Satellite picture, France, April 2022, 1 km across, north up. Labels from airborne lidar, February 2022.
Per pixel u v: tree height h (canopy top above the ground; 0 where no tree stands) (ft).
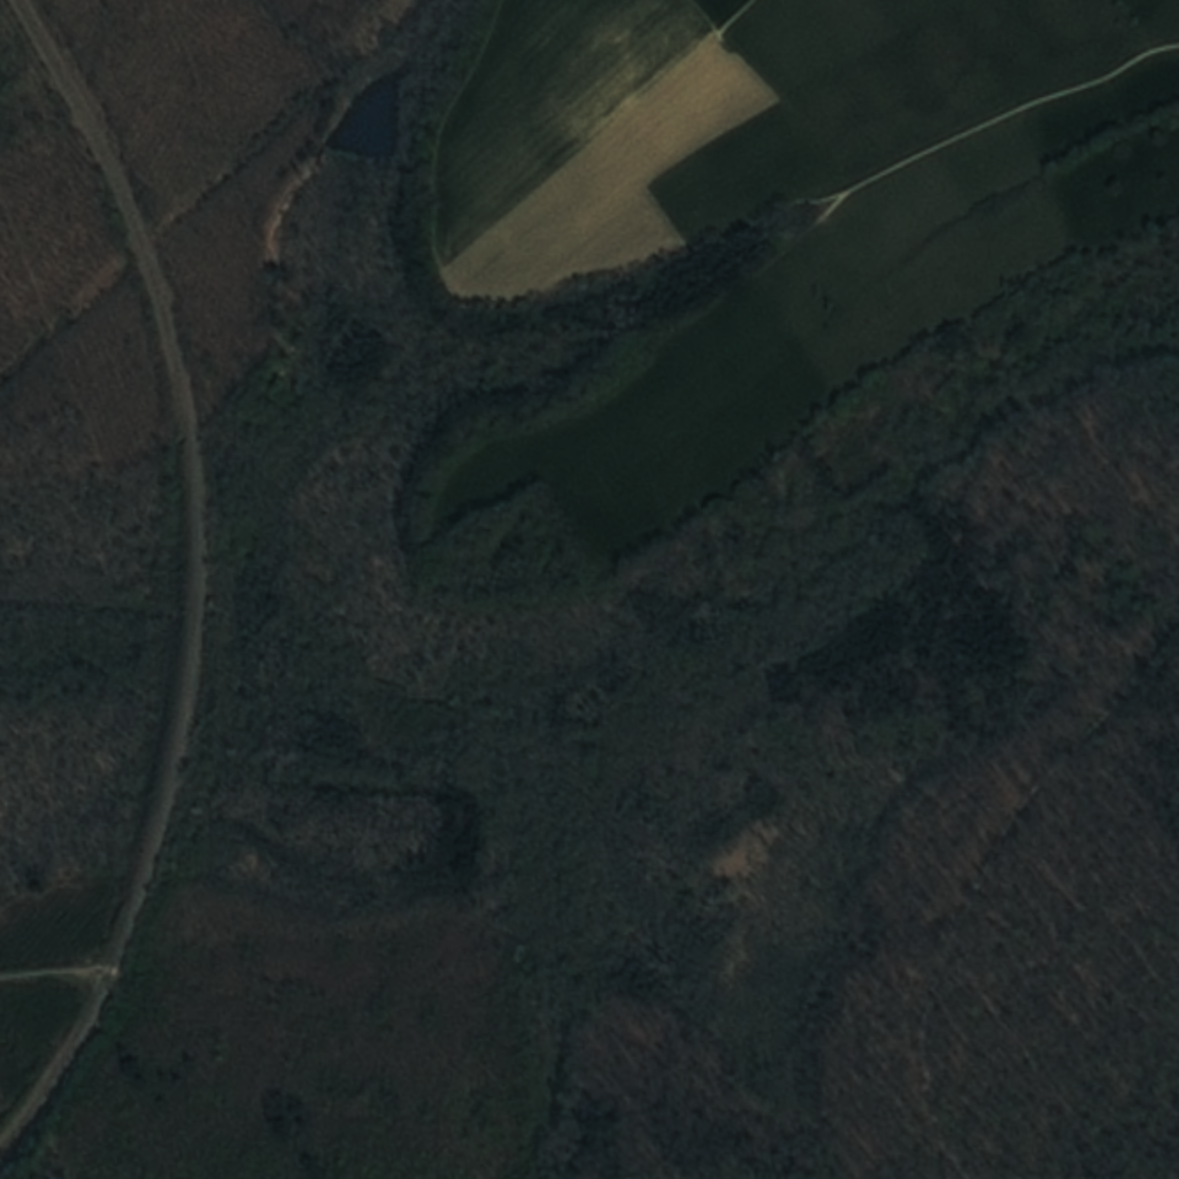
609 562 0
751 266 72
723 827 46
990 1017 0
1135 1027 0
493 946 46
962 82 0
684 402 0
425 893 25
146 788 68
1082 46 0
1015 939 0
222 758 91
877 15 0
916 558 91
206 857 77
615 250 0
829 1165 104
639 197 0
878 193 0
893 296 0
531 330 69
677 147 0
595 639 51
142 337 0
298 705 76
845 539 85
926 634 78
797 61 0
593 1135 85
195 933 0
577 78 0
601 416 0
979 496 88
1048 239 0
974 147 0
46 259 0
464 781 70
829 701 79
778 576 69
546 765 54
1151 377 107
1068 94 0
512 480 0
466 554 77
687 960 49
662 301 88
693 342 0
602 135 0
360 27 64
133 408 0
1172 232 75
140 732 81
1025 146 0
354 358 76
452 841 95
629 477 0
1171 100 0
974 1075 0
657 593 61
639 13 0
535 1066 67
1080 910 0
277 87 0
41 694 74
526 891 67
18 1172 72
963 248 0
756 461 0
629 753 58
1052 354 35
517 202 0
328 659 68
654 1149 0
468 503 0
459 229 0
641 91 0
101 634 76
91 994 0
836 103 0
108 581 79
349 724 69
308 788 73
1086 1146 0
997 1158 0
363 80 52
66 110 45
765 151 0
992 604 65
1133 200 0
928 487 72
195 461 0
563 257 0
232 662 79
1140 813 100
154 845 0
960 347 60
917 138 0
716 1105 0
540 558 63
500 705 75
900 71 0
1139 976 0
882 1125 0
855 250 0
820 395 0
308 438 78
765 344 0
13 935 0
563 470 0
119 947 0
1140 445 112
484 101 0
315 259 54
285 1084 0
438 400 78
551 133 0
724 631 80
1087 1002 0
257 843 38
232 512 85
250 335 0
